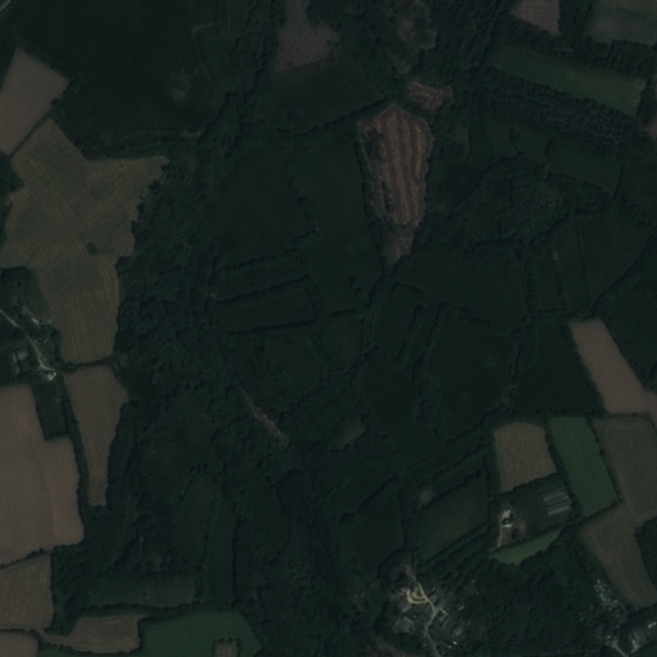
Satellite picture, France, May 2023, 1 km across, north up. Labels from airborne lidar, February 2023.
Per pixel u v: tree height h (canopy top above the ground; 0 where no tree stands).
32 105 0
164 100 0
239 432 8
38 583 0
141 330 11
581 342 0
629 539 0
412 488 16
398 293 10
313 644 24
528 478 0
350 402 11
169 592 0
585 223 0
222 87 0
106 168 0
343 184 0
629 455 0
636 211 12
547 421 10
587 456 0
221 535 0
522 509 0
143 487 14
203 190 14
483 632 14
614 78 0
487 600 11
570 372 0
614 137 12
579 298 0
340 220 0
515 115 14
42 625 0
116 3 0
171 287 12
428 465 0
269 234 0
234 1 0
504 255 21
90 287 0
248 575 22
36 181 0
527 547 0
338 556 15
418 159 18
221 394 7
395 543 0
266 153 0
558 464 12
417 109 12
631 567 0
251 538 17
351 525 11
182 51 0
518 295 0
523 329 7
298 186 8
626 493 0
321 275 0
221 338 14
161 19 0
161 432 14
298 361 0
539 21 0
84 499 13
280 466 7
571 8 19
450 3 10
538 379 0
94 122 0
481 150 14
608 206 15
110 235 0
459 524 0
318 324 13
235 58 0
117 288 0
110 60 0
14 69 0
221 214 0
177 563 16
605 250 0
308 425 14
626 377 0
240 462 12
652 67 13
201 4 0
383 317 0
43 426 8
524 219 7
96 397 0
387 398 0
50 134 0
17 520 0
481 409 0
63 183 0
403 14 0
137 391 0
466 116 9
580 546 8
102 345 0
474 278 0
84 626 0
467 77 13
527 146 0
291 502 31
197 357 7
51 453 0
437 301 0
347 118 9
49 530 0
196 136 0
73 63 0
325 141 7
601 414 10
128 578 13
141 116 0
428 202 13
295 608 14
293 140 11
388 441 9
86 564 19
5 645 0
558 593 16
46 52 0
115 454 23
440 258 0
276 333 15
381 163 16
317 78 0
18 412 0
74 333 0
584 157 0
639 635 0
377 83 11
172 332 10
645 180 0
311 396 8
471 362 0
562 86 0
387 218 18
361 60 14
